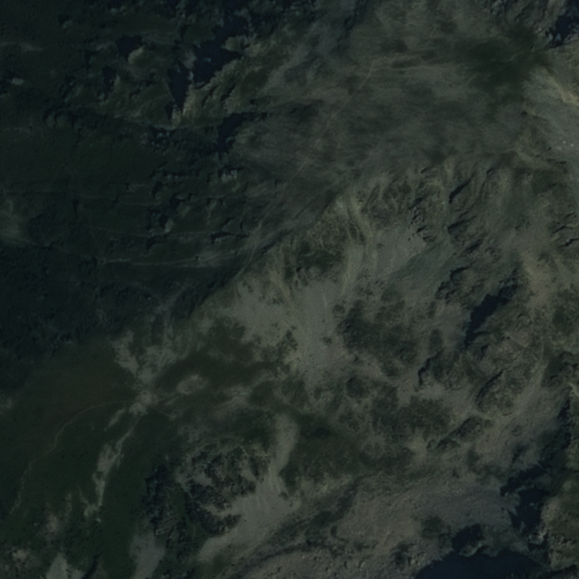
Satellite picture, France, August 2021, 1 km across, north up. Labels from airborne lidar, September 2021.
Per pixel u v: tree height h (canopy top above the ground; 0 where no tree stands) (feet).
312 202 0
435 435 0
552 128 0
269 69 0
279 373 0
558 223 0
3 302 0
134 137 0
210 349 0
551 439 0
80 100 0
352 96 0
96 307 0
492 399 0
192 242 0
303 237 0
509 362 0
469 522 0
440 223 0
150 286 0
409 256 0
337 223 0
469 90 0
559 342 0
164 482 28
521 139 0
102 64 0
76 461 0
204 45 0
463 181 0
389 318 0
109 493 0
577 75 0
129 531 0
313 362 0
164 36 0
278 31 0
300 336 0
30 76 0
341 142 0
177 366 0
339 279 0
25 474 0
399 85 0
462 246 0
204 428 0
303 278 0
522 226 0
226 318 0
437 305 0
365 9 0
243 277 0
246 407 0
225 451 0
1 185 0
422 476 0
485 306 0
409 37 0
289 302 0
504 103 0
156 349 0
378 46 0
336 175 0
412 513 0
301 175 0
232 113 0
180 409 0
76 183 0
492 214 0
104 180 0
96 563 21
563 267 0
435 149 0
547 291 0
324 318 0
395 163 0
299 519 0
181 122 0
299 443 0
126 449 0
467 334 0
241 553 0
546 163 0
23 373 0
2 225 0
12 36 0
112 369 0
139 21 0
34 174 0
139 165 0
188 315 0
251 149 0
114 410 0
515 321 0
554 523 0
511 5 0
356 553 0
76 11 0
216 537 0
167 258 0
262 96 0
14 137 0
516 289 0
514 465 0
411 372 0
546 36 0
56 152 0
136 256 0
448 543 0
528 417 0
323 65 0
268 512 0
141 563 0
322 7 0
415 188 0
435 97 0
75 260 0
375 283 0
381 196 0
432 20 0
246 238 0
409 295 0
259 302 0
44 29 0
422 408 0
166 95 0
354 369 0
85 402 0
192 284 0
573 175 0
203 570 0
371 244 0
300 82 0
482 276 0
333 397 0
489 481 0
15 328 0
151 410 0
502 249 0
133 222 0
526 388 0
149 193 0
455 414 0
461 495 0
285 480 0
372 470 0
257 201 0
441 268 0
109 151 0
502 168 0
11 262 21
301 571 0
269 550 0
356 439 0
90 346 0
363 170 0
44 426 0
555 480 0
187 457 0
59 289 0
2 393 0
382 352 0
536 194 0
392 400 0
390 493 0
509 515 0
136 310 0
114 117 0
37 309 0
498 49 0
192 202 0
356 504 0
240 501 0
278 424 0
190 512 39
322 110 0
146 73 0
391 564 0
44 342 0
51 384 0
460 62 0
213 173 0
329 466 0
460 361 0
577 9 0
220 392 0
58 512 0
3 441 0
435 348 0
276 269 0
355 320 0
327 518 0
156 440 0
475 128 0
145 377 0
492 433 0
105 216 0
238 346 0
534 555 0
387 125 0
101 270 0
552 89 0
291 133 0
